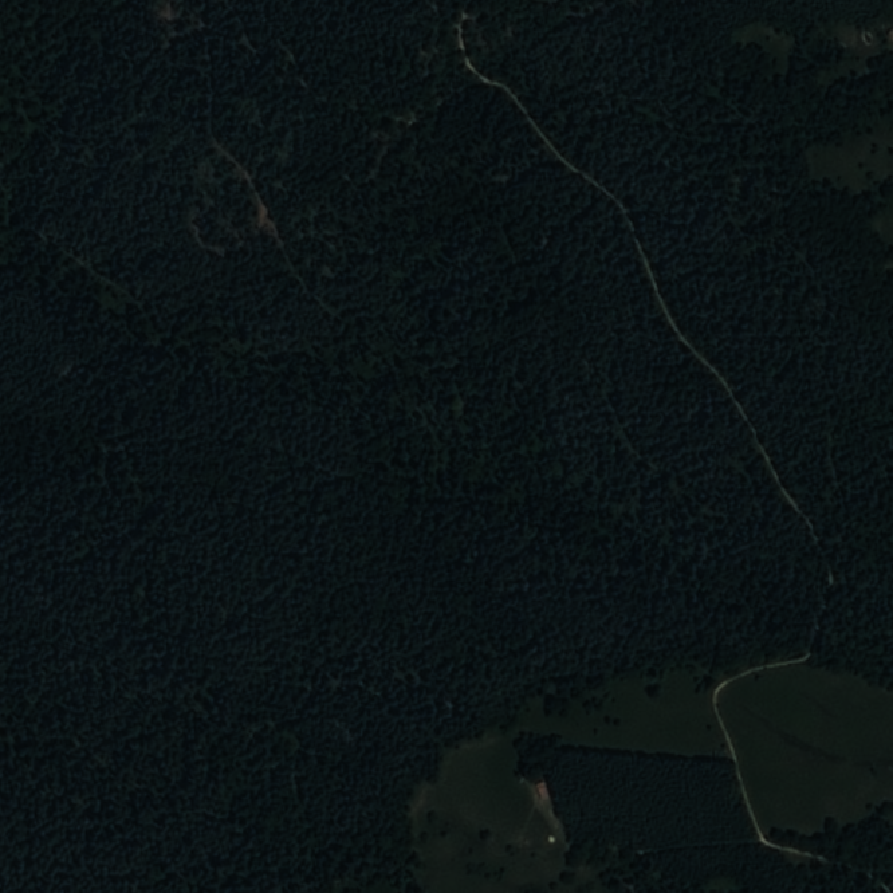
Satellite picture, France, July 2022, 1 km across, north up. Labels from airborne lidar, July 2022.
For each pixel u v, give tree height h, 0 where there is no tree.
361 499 27
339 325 25
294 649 18
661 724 0
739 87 23
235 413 30
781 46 0
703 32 25
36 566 27
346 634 17
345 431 29
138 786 25
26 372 34
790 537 19
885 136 0
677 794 21
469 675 25
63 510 28
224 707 24
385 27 17
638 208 26
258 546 20
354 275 12
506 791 0
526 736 9
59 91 27
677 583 25
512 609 19
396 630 15
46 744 11
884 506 20
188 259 27
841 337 21
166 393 31
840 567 10
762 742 0
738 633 25
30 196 22
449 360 20
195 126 9
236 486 26
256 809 21
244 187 13
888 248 8
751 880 18
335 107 13
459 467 13
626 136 17
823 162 0
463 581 23
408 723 24
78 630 25
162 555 22
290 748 14
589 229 23
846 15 18
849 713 0
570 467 22
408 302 17
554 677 13
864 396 12
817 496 11
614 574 22
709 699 0
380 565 22
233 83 20
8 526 34
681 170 10
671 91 21
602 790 22
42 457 25
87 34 24
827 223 17
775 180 15
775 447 18
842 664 8
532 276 20
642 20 22
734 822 19
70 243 29
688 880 16
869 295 15
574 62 19
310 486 20
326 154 17
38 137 16
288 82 14
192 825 27
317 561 12
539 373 19
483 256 29
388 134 18
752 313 21
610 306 20
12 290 33
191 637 27
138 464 28
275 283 17
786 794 0
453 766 0
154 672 11
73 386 25
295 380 19
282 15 20
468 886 0
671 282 14
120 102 23
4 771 19
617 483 20
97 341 34
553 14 14
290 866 12
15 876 26
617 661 19
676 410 17
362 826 23
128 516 19
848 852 12
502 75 18
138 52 27
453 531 26
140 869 27
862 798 0
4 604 29
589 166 26
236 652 23
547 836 0
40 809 26
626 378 29
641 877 14
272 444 24
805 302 22
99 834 13
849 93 8
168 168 22
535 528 26
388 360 24
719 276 21
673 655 17
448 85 17
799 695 0
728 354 14
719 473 21
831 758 0
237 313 29
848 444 15
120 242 24
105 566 31
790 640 17
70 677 32
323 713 14
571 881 12
